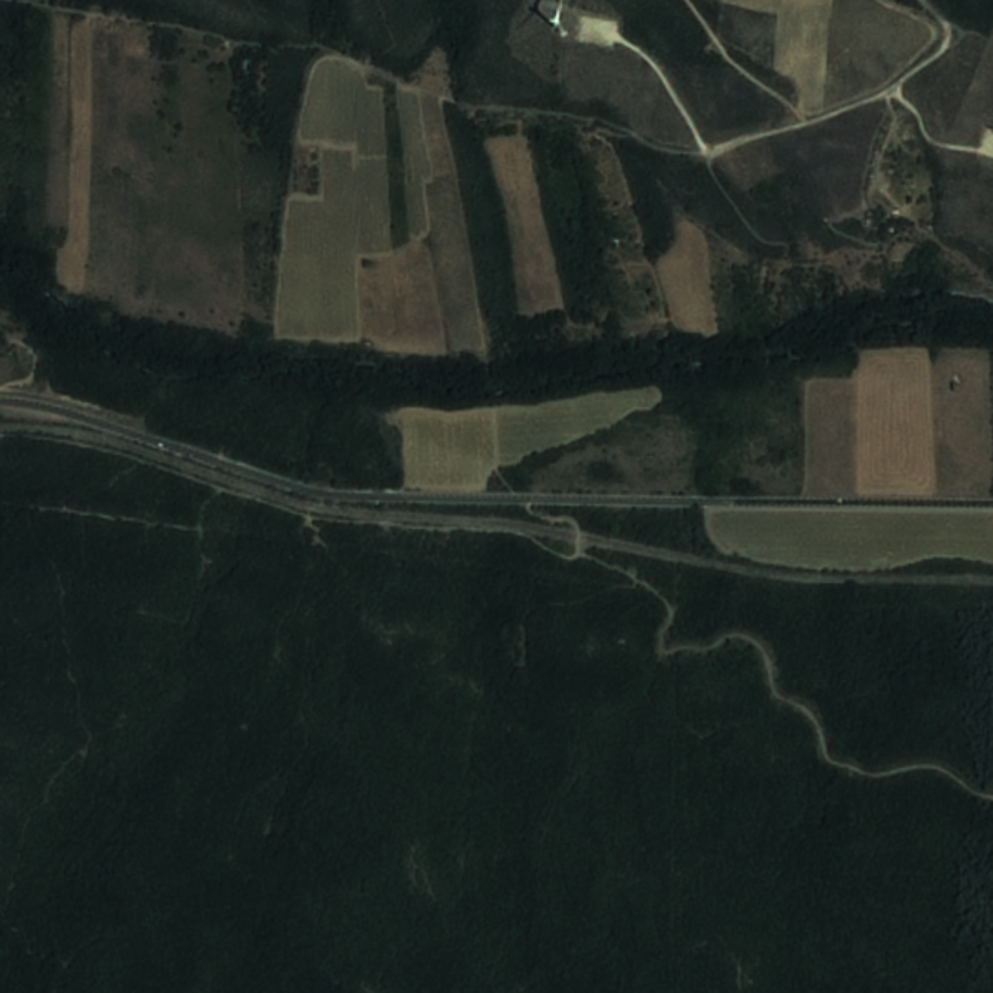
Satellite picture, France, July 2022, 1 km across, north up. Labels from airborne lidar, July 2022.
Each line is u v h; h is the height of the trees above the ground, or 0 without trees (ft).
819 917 20
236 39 25
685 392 24
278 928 21
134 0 23
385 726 26
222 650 18
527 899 17
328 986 23
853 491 0
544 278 0
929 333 45
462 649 24
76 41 0
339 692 20
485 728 20
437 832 24
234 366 68
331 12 37
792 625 22
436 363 29
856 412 0
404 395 29
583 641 20
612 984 18
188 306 0
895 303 66
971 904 50
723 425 27
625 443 0
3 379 0
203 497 22
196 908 18
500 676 22
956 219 0
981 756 17
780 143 0
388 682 26
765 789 18
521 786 18
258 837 21
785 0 0
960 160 0
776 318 32
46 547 19
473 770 24
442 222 0
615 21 0
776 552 0
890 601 19
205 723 18
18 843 17
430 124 0
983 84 0
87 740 18
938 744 20
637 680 21
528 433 0
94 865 22
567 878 17
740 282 26
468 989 19
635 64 0
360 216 0
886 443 0
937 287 36
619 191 0
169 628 21
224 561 19
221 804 21
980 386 0
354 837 27
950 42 0
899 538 0
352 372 32
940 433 0
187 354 53
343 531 18
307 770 23
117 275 0
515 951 22
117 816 24
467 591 22
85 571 18
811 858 21
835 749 35
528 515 29
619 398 0
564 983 20
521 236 0
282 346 18
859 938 22
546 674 18
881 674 19
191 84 0
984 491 0
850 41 0
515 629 20
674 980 19
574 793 17
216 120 0
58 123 0
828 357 36
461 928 19
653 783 25
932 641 24
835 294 56
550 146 23
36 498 21
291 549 18
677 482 0
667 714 18
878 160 0
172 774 26
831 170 0
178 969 20
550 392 49
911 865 18
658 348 31
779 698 0
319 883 26
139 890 18
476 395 37
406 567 19
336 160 0
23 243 26
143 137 0
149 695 20
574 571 22
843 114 0
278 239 25
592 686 21
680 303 0
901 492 0
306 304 0
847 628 36
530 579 19
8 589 18
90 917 25
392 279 0
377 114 0
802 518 0
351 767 23
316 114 0
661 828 23
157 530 20
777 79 0
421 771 17
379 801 19
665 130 0
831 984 17
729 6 0
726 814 18
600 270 21
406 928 17
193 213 0
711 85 0
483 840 19
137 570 22
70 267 0
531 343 20
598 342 27
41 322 33
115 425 0
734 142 0
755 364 57
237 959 29
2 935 22
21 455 19
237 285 0
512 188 0
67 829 18
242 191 0
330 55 0
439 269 0
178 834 20
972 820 26
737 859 19
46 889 26
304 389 18
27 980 26
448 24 40
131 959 24
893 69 0
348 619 25
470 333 0
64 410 0
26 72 19
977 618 28
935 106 0
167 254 0
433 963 21
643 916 19
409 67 27
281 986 27
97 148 0
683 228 0
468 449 0
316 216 0
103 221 0
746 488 29
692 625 22
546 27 0
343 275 0
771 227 0
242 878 22
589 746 22
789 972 20
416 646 19
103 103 0
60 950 21
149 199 0
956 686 27
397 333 0
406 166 0
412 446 0
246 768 18
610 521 21
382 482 20
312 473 22
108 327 32
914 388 0
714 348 58
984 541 0
